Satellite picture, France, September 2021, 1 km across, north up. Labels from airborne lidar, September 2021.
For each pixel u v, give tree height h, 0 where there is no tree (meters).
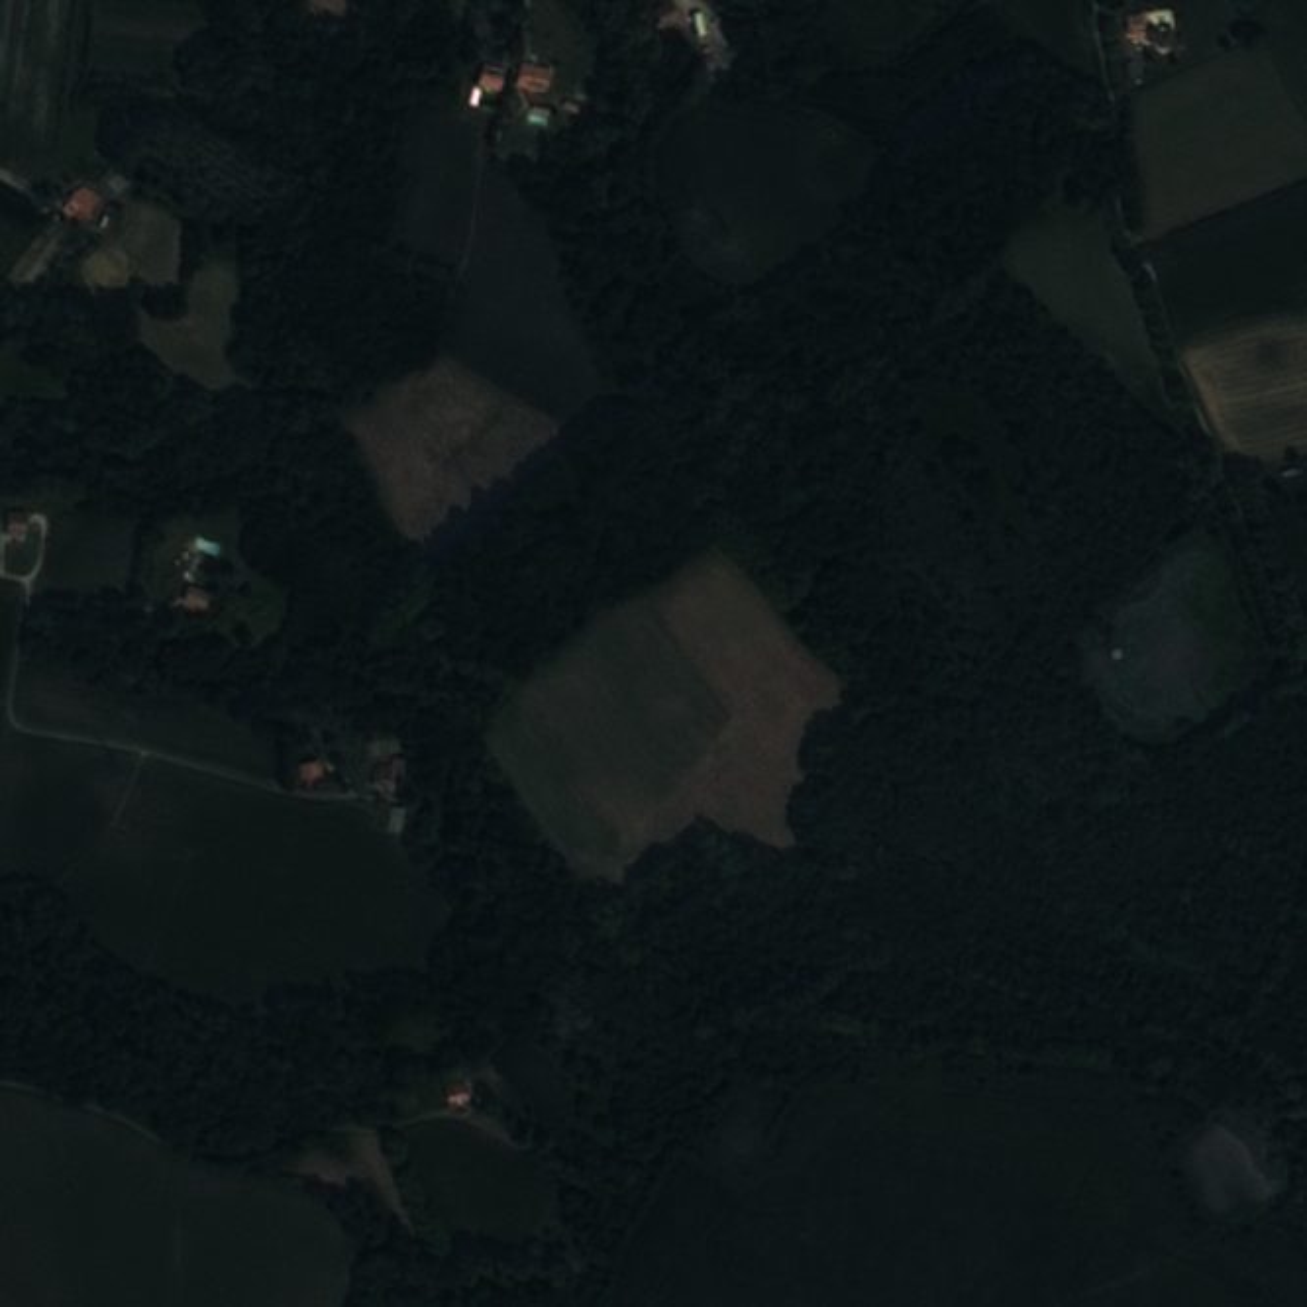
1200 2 0
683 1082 17
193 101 18
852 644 11
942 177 29
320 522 11
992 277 23
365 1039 18
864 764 13
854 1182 0
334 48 25
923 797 12
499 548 22
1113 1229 0
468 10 7
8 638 0
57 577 0
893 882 19
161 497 23
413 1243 18
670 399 23
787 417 18
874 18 0
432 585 28
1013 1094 0
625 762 0
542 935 32
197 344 0
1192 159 0
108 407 19
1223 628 0
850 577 12
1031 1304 0
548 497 0
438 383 0
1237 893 10
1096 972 11
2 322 26
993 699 17
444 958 17
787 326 23
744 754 0
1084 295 0
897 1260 0
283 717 12
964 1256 0
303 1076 20
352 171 25
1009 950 10
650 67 26
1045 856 14
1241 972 12
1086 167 21
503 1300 19
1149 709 0
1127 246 15
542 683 0
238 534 0
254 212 19
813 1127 0
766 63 23
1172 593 0
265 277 19
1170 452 14
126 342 20
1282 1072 20
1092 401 16
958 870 13
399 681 24
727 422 21
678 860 11
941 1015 16
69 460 21
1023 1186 0
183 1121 26
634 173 28
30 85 0
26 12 0
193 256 16
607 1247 10
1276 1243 0
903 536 7
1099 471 17
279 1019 25
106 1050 25
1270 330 0
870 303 22
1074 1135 0
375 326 27
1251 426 0
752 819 0
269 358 18
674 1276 0
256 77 33
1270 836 11
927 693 12
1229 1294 0
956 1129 0
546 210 22
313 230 27
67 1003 25
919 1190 0
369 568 8
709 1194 0
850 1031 21
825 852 18
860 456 18
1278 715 20
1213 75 0
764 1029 20
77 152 0
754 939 19
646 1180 10
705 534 27
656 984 19
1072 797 13
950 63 7
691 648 0
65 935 17
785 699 0
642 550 25
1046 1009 16
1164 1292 0
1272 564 20
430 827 20
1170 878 9
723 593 0
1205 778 10
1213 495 10
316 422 14
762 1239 0
